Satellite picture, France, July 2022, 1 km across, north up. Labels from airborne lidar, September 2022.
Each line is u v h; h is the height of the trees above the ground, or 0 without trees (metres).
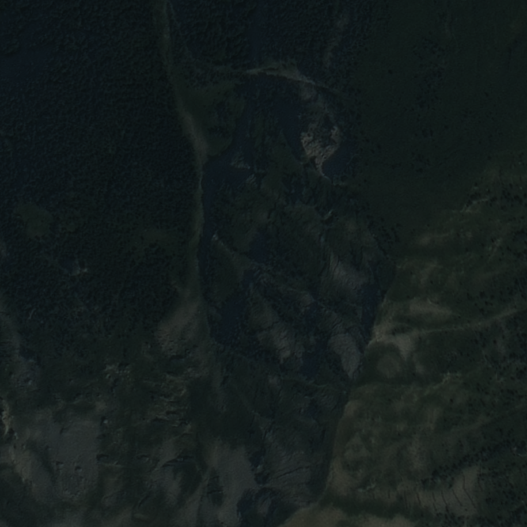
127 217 10
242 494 0
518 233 10
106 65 19
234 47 15
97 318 9
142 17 21
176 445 0
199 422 0
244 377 0
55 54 29
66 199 11
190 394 0
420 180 0
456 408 0
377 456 0
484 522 8
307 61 10
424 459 0
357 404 0
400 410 0
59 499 0
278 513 0
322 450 0
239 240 0
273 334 0
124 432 0
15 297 9
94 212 13
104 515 0
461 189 0
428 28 0
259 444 0
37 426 0
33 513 0
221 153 0
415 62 0
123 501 0
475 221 0
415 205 0
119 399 0
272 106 16
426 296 0
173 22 9
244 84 11
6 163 17
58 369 0
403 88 0
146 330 9
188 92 0
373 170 0
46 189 10
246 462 0
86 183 14
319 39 9
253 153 22
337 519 0
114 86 18
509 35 0
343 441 0
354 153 7
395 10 0
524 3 0
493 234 0
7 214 8
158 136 17
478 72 0
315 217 0
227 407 0
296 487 0
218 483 0
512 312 0
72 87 21
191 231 7
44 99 17
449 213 0
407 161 0
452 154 0
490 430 0
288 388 0
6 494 0
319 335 9
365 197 0
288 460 0
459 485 0
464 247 0
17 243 10
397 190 0
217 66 12
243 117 0
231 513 0
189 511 0
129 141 15
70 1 23
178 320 0
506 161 0
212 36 17
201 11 24
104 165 16
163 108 18
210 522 0
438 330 0
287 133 0
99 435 0
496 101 0
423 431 0
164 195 13
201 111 0
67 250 12
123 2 20
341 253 0
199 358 0
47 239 8
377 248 0
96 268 13
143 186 14
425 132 10
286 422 0
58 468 0
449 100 0
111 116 20
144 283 13
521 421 0
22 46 7
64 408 0
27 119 30
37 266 8
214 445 0
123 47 21
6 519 0
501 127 0
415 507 0
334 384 0
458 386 0
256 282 6
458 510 0
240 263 0
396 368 0
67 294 10
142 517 0
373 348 0
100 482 0
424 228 0
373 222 6
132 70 22
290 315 0
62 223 7
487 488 0
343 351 0
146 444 0
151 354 0
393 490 0
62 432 0
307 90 0
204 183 0
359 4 10
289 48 13
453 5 0
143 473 0
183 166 16
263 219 0
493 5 0
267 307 0
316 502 0
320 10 14
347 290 0
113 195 14
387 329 0
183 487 0
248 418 0
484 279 0
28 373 0
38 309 7
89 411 0
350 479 0
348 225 0
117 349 0
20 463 0
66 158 16
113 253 15
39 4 11
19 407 0
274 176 0
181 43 6
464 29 0
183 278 10
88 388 0
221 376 0
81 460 0
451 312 0
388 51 0
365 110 0
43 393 0
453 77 0
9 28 24
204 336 0
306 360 0
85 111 24
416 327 0
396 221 0
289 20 12
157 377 0
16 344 0
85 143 13
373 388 0
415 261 0
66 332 9
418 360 0
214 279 6
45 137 13
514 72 0
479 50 0
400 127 0
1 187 9
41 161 13
